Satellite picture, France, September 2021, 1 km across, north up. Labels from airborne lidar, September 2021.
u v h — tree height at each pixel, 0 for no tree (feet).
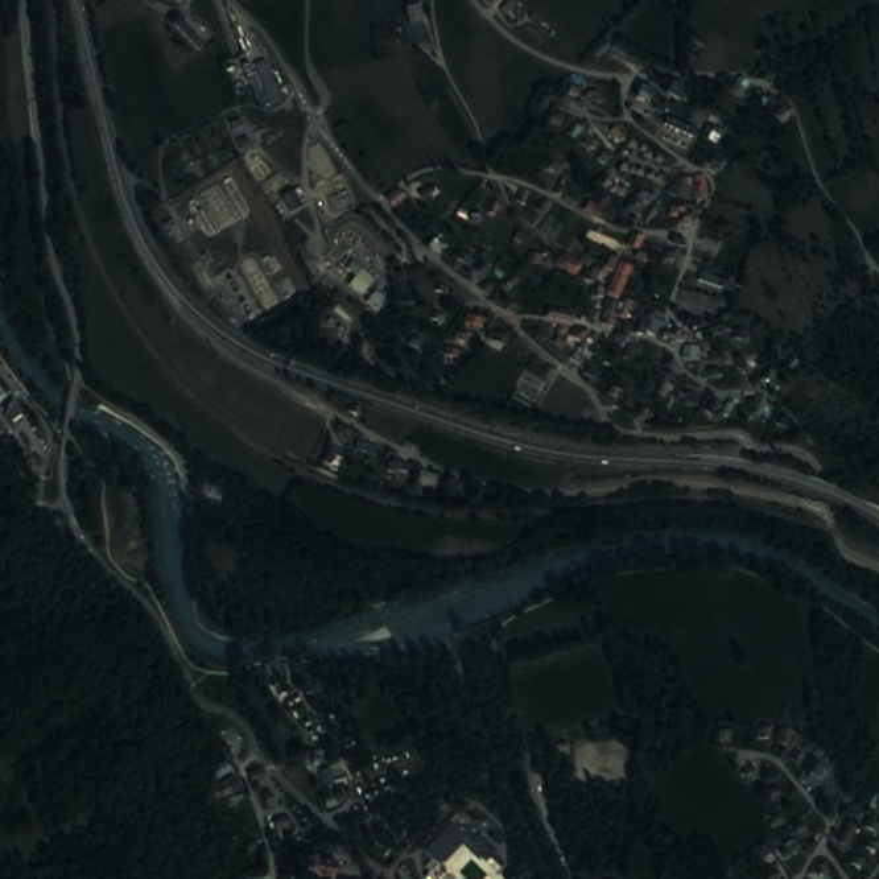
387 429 0
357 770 19
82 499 55
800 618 0
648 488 42
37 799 68
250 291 0
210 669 0
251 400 0
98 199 0
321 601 69
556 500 42
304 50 0
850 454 47
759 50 31
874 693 0
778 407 25
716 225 27
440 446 0
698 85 31
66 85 52
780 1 0
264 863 29
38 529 68
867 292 31
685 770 0
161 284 0
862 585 23
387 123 0
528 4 0
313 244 0
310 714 30
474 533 0
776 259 0
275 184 0
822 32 0
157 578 78
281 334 31
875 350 37
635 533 64
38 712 77
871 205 0
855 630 49
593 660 0
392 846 62
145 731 74
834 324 35
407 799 55
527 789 64
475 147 44
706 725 69
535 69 0
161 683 72
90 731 72
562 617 0
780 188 45
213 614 42
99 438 66
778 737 29
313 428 0
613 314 0
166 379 0
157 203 39
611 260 0
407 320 19
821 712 59
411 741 54
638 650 71
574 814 65
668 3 38
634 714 66
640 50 39
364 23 0
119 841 52
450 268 0
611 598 0
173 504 0
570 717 0
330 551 87
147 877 59
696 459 0
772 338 31
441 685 61
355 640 0
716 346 27
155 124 0
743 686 0
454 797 64
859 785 22
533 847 63
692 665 0
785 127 34
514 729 54
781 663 0
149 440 0
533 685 0
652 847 59
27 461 67
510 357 21
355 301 28
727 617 0
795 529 35
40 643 93
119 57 0
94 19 41
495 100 0
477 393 0
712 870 22
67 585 68
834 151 38
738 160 51
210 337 0
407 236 28
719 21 0
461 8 0
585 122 17
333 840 49
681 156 0
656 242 0
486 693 61
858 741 71
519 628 0
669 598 0
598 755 0
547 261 0
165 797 60
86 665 50
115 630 54
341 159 0
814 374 22
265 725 46
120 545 0
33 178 56
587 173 26
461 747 72
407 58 0
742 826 0
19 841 0
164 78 0
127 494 72
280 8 0
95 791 58
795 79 54
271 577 44
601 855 66
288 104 0
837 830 21
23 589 65
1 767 0
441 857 0
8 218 62
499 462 0
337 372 46
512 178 0
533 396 0
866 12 36
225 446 0
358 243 0
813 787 0
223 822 78
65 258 50
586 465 0
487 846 0
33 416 47
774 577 65
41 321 0
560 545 18
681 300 0
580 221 0
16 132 0
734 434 0
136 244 0
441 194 0
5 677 65
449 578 87
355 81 0
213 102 0
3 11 36
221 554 0
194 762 89
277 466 31
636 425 0
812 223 0
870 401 20
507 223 0
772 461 29
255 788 47
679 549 51
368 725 0
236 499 91
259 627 91
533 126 72
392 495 39
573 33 0
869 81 0
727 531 66
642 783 64
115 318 0
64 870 81
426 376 66
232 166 0
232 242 0
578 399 0
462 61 0
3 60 0
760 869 24
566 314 0
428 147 0
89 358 20
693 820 0
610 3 0
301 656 49
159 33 0
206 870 75
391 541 0
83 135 0
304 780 0
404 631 0
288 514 65
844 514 35
